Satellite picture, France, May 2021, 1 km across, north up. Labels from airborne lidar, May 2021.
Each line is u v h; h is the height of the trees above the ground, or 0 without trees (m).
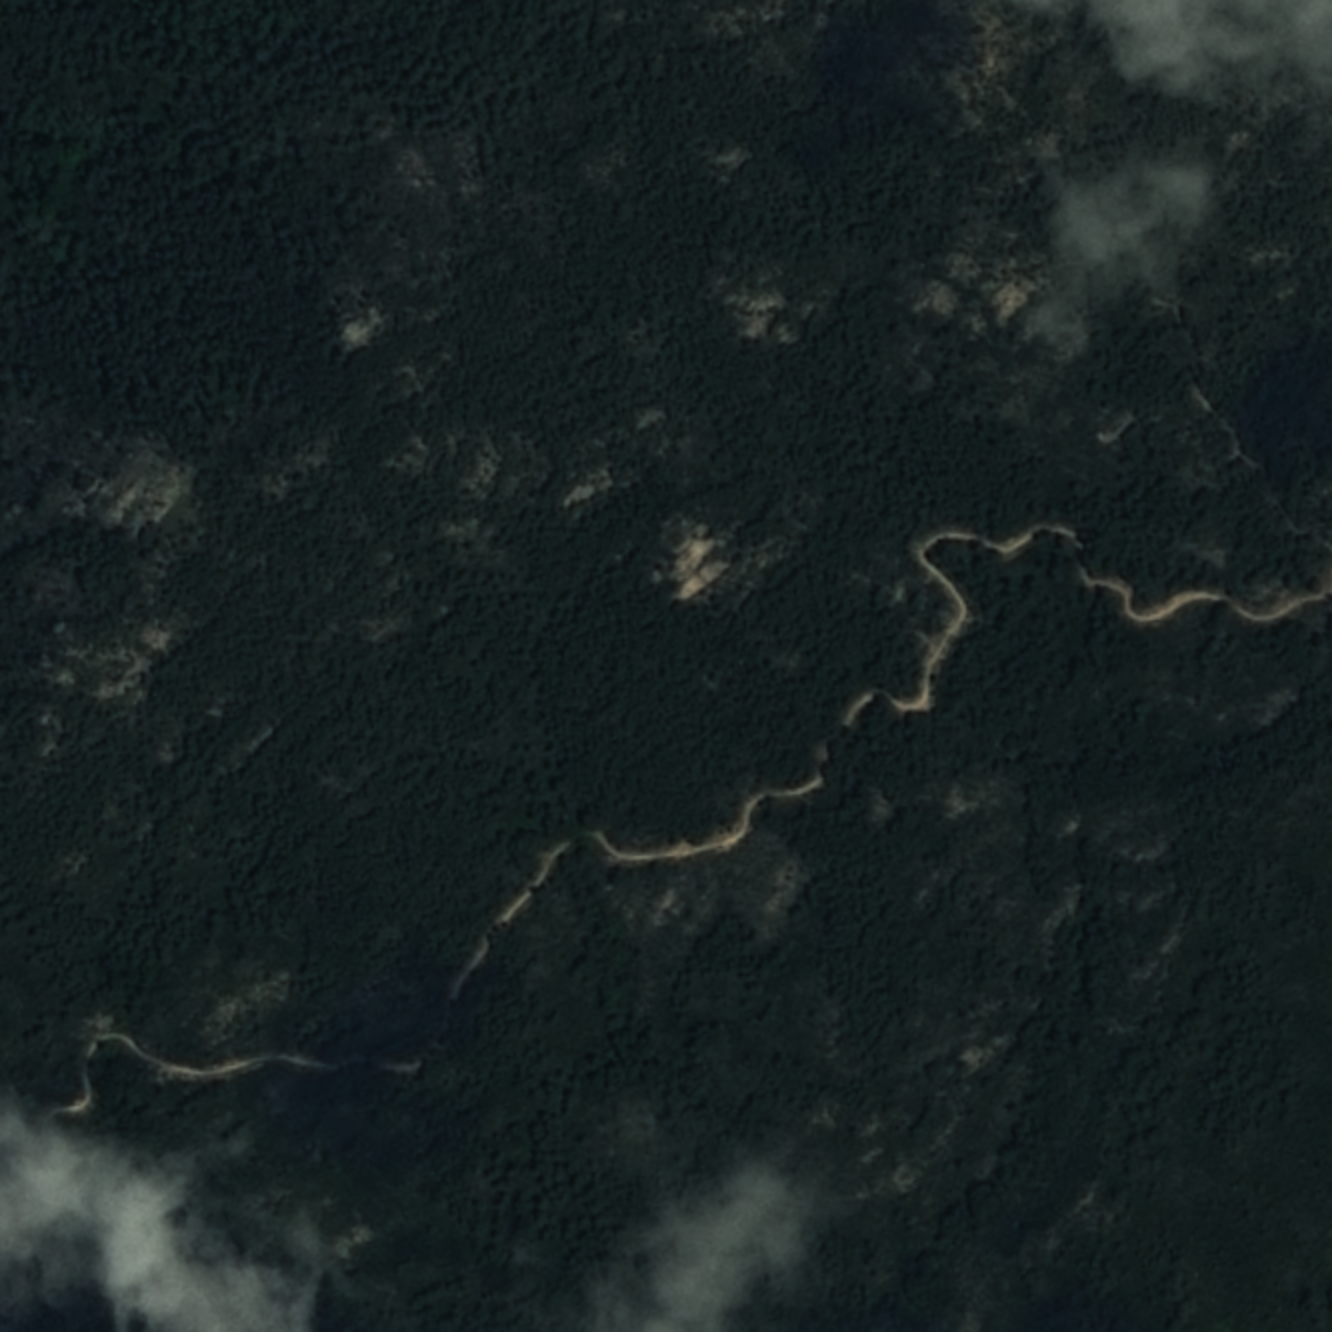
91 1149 10
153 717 17
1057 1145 6
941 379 15
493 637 17
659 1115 7
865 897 17
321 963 13
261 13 10
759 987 17
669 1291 24
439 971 19
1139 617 0
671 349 15
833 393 19
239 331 20
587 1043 5
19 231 21
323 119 13
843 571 14
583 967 24
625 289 14
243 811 17
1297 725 18
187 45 20
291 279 16
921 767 13
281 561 17
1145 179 15
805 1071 14
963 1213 22
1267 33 19
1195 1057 20
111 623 12
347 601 14
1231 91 11
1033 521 17
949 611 8
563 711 17
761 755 16
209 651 15
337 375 17
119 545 18
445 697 18
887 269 6
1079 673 18
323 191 6
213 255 20
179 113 18
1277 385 20
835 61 14
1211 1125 14
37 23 20
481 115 16
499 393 15
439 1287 14
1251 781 16
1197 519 15
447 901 15
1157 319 6
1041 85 18
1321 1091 7
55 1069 6
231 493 11
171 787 19
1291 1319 6
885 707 19
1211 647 15
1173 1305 7
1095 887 21
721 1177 23
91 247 16
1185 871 14
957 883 12
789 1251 23
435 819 16
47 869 14
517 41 16
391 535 16
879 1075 13
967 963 11
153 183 21
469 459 14
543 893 19
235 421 15
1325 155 15
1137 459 17
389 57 18
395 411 16
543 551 16
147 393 23
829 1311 18
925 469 15
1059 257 9
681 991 18
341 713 18
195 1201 7
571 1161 20
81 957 7
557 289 16
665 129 16
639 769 16
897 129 17
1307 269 15
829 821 17
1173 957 7
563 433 13
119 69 9
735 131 17
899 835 22
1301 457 21
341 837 14
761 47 10
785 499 12
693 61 18
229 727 15
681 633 19
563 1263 6
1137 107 18
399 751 14
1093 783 19
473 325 14
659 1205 13
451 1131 20
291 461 13
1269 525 15
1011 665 16
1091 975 16
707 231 15
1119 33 22
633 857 0
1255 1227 5
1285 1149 5
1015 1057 19
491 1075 14
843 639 18
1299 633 21
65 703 14
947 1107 6
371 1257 7
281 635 17
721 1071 24
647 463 11
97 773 17
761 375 16
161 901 17
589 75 15
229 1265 6
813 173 17
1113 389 16
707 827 11
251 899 18
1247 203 14
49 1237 16
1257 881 18
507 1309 14
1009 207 11
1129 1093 13
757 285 8
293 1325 6
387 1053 17
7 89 6
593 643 16
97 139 17
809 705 19
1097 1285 15
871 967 15
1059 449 6
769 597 16
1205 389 13
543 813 17
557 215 11
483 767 17
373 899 19
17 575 21
